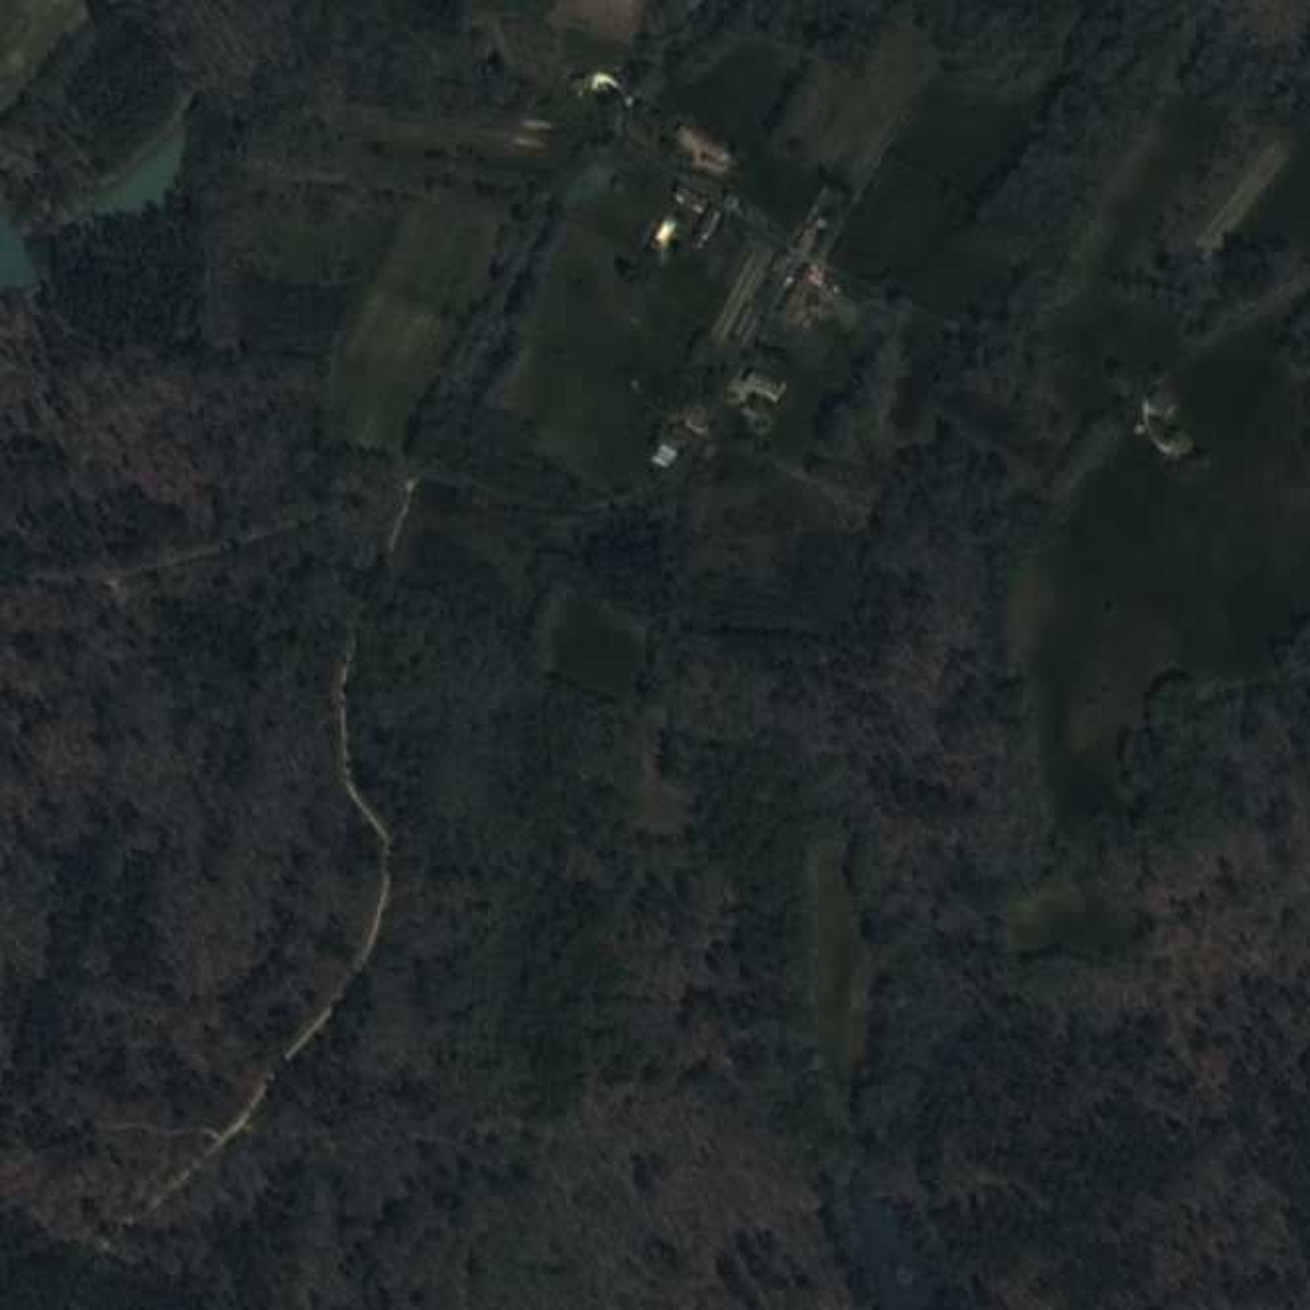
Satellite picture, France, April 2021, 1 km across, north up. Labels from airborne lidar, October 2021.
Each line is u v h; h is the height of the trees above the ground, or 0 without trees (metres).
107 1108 11
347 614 17
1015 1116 26
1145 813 13
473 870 9
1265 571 0
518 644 19
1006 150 0
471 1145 12
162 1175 9
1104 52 13
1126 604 0
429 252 0
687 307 0
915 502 19
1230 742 13
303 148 20
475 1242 18
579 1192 17
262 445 13
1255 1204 20
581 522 11
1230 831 21
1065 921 0
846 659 14
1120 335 0
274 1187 17
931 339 0
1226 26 19
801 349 0
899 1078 19
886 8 20
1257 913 9
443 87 15
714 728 14
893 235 0
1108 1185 33
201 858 13
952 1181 15
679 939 9
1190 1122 28
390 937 9
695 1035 23
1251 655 0
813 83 19
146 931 13
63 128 18
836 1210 18
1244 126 9
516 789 17
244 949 15
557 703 18
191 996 8
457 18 24
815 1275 16
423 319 0
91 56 16
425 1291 12
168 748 12
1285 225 0
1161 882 19
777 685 10
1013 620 21
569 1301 19
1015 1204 13
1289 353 14
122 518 28
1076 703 0
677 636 10
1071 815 0
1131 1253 13
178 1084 20
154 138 11
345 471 22
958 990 11
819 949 15
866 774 19
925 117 0
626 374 0
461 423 15
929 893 24
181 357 19
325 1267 16
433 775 15
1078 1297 17
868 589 11
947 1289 20
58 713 11
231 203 9
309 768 12
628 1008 14
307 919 13
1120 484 0
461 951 11
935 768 13
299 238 0
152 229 12
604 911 28
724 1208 18
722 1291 13
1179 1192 24
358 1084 6
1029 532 24
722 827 27
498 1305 17
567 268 0
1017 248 21
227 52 21
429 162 8
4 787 11
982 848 24
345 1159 12
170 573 10
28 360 9
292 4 26
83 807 13
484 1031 12
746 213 11
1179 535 0
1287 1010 26
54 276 12
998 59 22
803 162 20
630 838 20
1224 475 0
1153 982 11
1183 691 20
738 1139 17
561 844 15
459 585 8
